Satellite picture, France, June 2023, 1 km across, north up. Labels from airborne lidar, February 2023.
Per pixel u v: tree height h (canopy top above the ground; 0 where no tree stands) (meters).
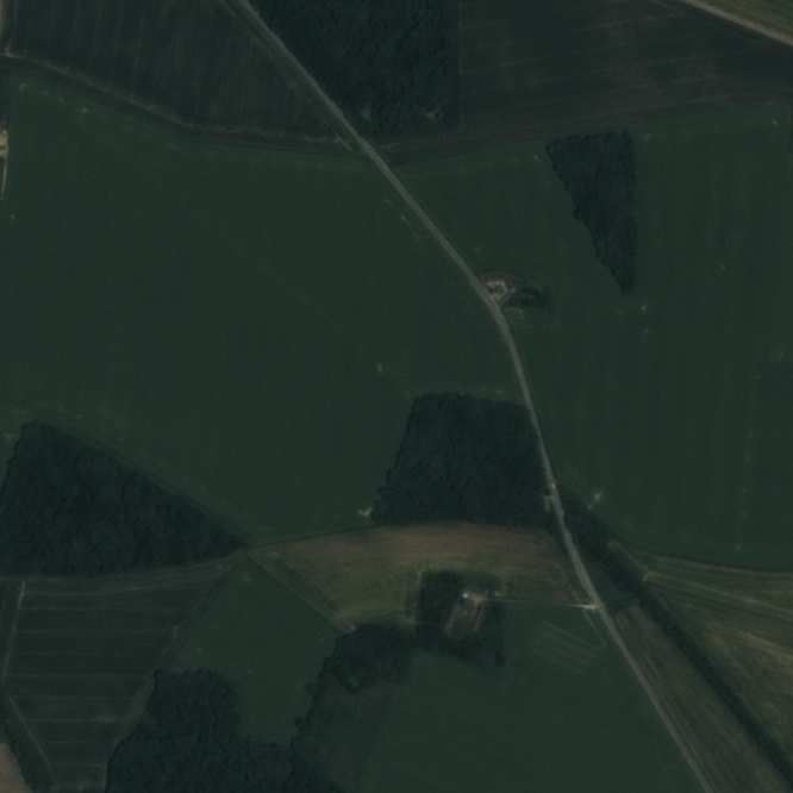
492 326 0
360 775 0
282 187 0
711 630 0
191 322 0
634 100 0
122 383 0
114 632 0
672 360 0
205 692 21
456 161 0
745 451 0
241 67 0
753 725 15
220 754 26
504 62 0
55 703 0
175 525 13
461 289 0
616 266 11
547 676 0
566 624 0
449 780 0
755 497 0
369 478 0
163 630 0
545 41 0
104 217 0
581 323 0
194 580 0
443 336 0
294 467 0
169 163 0
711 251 0
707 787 0
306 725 15
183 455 0
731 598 0
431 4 20
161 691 21
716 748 0
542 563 0
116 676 0
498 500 23
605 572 0
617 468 0
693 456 0
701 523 0
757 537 0
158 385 0
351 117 12
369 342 0
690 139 0
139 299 0
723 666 0
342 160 0
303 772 20
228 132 0
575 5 0
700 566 0
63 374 0
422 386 0
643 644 0
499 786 0
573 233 0
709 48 0
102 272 0
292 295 0
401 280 0
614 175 21
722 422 0
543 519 13
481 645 11
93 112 0
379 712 0
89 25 0
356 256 0
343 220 0
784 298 0
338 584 0
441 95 22
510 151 0
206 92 0
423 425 21
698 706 0
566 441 0
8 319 0
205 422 0
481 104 0
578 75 0
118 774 22
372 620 0
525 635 0
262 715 0
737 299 0
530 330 0
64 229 0
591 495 0
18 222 0
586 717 0
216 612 0
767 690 0
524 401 0
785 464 0
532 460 20
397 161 0
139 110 0
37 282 0
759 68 0
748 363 0
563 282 0
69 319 0
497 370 0
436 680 0
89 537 11
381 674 9
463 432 23
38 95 0
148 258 0
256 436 0
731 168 0
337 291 0
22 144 0
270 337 0
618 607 0
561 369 0
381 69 15
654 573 0
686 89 0
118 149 0
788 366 0
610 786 0
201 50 0
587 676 0
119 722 0
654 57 0
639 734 0
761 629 0
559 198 0
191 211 0
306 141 0
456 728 0
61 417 0
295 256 0
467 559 0
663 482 0
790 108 0
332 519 0
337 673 6
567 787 0
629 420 0
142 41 0
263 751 21
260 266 0
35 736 0
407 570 0
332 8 25
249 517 0
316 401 0
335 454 0
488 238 0
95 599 0
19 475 17
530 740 0
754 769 0
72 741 0
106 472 26
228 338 0
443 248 0
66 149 0
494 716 0
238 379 0
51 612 0
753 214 0
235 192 0
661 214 0
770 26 0
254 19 0
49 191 0
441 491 27
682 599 0
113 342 0
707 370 0
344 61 22
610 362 0
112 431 0
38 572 22
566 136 0
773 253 0
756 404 0
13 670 0
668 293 0
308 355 0
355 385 0
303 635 0
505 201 0
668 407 0
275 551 0
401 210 0
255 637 0
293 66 0
